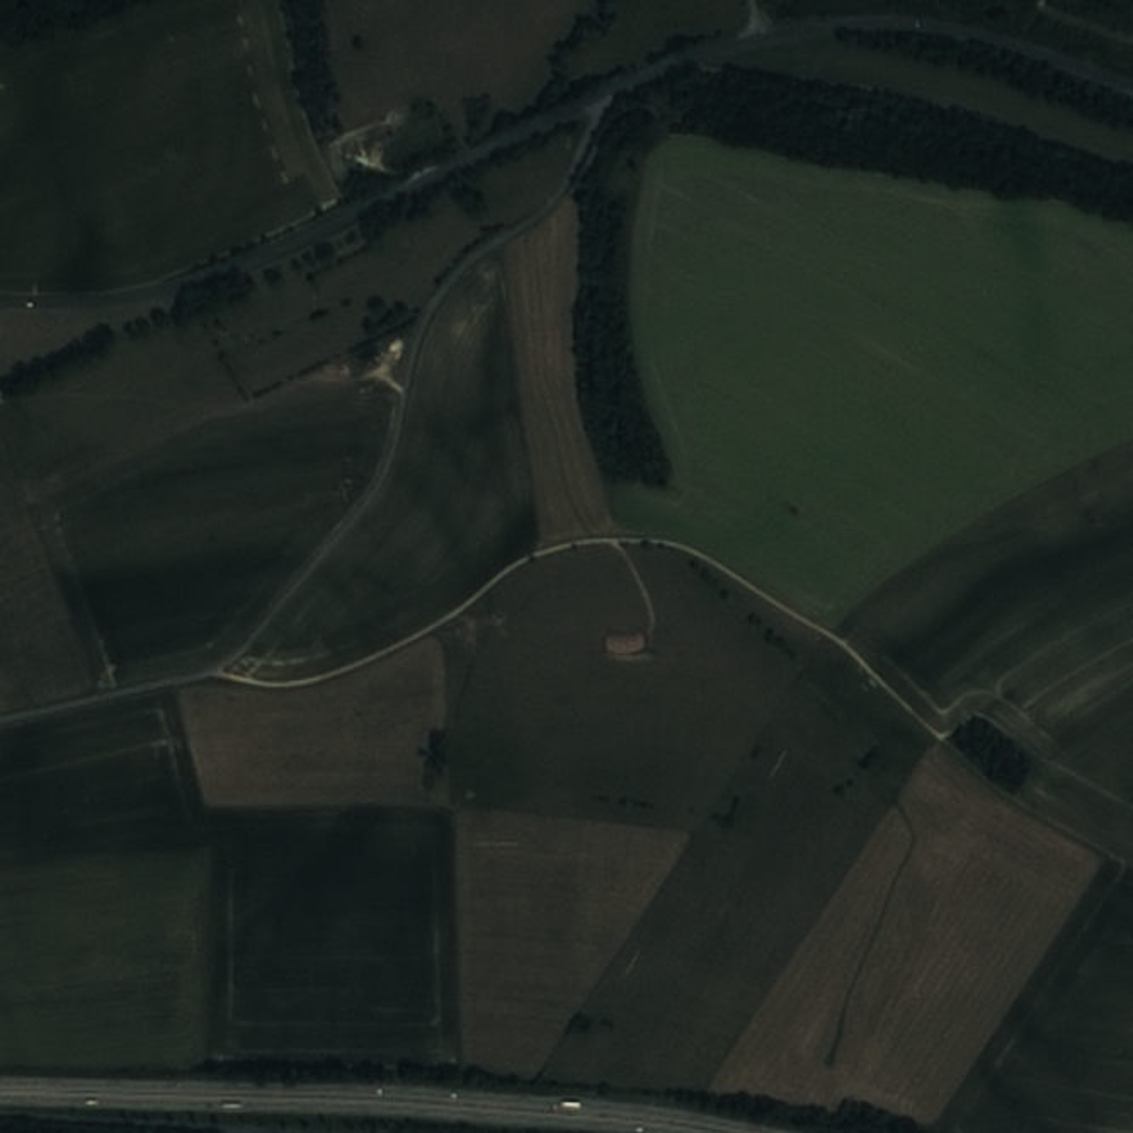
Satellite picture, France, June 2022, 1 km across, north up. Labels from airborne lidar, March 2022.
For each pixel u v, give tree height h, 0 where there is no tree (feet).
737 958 0
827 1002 0
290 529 0
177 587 0
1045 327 0
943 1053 0
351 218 0
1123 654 0
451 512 0
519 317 0
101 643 0
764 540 0
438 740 45
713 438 0
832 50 0
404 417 0
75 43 0
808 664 0
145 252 0
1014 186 65
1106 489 0
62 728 0
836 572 0
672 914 0
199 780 0
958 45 54
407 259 0
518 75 0
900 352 0
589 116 0
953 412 0
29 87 0
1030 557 0
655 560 0
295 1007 0
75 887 0
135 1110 0
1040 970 0
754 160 0
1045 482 0
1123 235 0
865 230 0
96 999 0
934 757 0
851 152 45
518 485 0
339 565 0
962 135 53
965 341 0
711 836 0
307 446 0
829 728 0
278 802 0
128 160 0
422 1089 0
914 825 0
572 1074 0
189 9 0
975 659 0
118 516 0
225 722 0
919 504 0
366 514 0
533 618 0
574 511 0
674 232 0
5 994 0
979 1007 0
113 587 0
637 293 0
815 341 0
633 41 0
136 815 0
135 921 0
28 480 0
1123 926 0
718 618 0
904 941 0
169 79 0
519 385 0
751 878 0
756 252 0
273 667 0
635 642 0
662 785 0
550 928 0
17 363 0
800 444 0
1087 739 0
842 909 0
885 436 0
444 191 43
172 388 0
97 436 0
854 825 0
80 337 0
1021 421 0
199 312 60
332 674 0
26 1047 0
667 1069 0
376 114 0
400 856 0
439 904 0
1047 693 0
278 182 0
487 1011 0
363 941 0
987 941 0
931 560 0
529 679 0
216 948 0
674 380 0
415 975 0
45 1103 0
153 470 0
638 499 0
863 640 0
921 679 0
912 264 0
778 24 0
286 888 0
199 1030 0
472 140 20
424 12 0
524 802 0
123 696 0
